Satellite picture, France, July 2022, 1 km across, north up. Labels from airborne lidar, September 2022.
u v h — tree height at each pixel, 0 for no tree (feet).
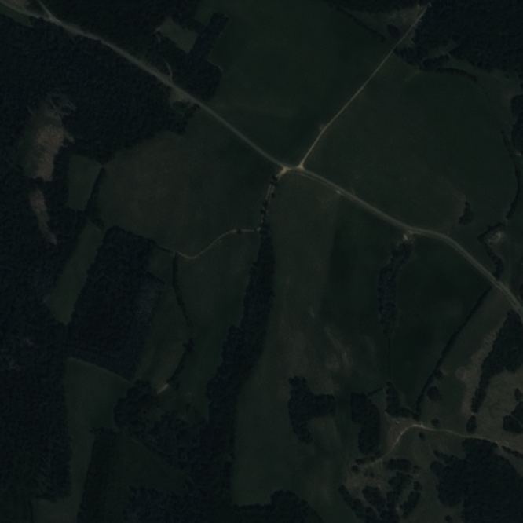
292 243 0
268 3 0
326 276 0
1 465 50
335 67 0
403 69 0
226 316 0
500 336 22
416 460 0
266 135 0
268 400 0
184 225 0
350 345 0
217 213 0
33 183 63
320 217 0
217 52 0
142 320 82
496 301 0
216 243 0
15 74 54
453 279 0
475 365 0
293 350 0
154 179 0
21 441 52
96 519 20
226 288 0
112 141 48
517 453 36
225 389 76
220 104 0
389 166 0
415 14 0
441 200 0
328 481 0
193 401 0
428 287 0
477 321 0
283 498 21
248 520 32
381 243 0
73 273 0
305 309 0
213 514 36
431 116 0
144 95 43
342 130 0
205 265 0
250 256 0
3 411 45
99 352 81
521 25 37
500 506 34
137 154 0
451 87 0
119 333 59
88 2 53
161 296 22
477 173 0
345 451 0
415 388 0
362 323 0
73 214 73
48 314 67
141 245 51
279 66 0
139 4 56
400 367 0
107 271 60
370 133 0
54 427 65
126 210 0
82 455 0
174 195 0
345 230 0
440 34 71
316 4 0
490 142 0
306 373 0
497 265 49
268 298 73
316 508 0
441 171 0
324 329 0
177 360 0
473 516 36
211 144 0
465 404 0
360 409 46
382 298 33
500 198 0
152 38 28
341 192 0
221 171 0
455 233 0
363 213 0
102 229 42
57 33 68
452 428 0
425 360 0
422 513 0
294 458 0
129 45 25
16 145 87
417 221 0
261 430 0
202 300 0
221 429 84
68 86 65
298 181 0
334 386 0
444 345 0
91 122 42
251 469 0
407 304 0
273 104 0
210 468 84
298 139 0
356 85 0
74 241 64
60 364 67
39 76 38
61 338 75
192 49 0
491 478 53
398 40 0
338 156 0
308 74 0
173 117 28
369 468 0
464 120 0
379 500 27
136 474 0
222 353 0
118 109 52
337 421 0
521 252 0
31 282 78
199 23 23
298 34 0
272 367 0
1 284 63
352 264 0
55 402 68
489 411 0
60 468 31
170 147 0
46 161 0
